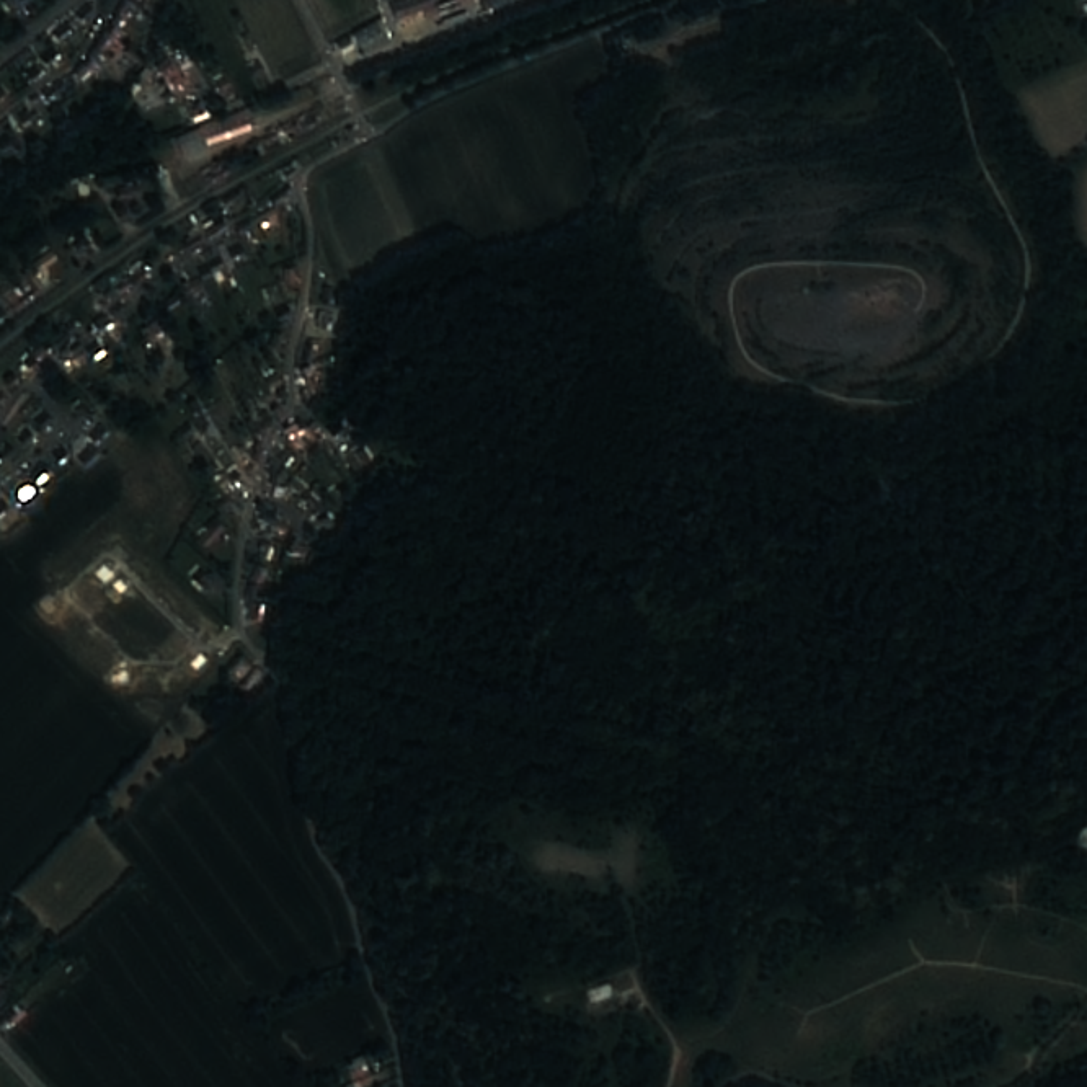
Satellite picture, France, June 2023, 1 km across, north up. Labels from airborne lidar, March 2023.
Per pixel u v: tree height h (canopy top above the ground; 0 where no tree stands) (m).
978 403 27
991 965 0
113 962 0
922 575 28
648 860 0
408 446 15
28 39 0
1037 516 32
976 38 18
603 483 16
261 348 5
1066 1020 0
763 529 23
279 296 0
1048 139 0
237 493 0
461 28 11
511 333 17
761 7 8
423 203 0
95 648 0
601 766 27
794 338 0
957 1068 9
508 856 14
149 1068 0
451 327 21
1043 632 24
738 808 20
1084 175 0
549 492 26
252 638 0
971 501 25
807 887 21
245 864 0
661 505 24
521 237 10
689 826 20
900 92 7
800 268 0
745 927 14
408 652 23
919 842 22
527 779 20
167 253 0
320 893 0
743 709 24
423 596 22
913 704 26
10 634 0
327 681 22
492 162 0
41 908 0
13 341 0
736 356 0
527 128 0
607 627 29
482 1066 23
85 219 13
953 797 22
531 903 16
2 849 0
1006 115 15
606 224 15
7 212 15
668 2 10
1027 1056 0
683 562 27
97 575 0
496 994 20
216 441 0
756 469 23
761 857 17
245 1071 0
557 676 20
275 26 0
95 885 0
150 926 0
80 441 0
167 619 0
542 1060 21
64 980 0
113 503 0
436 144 0
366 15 0
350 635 24
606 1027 0
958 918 0
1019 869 0
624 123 12
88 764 0
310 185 0
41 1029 0
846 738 22
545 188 0
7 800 0
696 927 13
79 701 0
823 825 19
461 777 22
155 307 6
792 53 16
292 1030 0
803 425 26
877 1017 0
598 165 12
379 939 20
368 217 0
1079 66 0
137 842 0
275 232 0
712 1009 12
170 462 0
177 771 0
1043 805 23
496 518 27
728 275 0
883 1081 8
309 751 18
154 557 0
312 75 0
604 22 7
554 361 20
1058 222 15
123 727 0
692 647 20
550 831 0
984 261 0
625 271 9
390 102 0
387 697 20
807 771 18
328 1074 9
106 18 0
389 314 24
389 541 26
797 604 33
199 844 0
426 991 19
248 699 14
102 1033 0
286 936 0
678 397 16
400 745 27
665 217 0
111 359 7
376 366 11
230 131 0
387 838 28
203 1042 0
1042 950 0
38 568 0
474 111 0
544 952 18
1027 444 30
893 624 26
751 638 23
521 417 20
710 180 0
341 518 11
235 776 0
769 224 0
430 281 15
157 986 0
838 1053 0
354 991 0
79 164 13
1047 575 29
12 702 0
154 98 0
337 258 0
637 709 30
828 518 28
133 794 8
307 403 7
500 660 20
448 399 23
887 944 0
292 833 0
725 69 6
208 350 10
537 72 0
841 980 0
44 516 0
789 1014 0
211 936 0
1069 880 0
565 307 19
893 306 0
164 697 0
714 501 24
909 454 18
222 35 0
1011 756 30
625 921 8
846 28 15
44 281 0
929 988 0
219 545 0
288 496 0
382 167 0
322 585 15
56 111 9
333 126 0
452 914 20
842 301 0
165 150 0
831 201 0
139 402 8
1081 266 10
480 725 31
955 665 6
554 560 22
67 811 0
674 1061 0
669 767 14
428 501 29
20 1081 0
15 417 0
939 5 16
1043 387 12
